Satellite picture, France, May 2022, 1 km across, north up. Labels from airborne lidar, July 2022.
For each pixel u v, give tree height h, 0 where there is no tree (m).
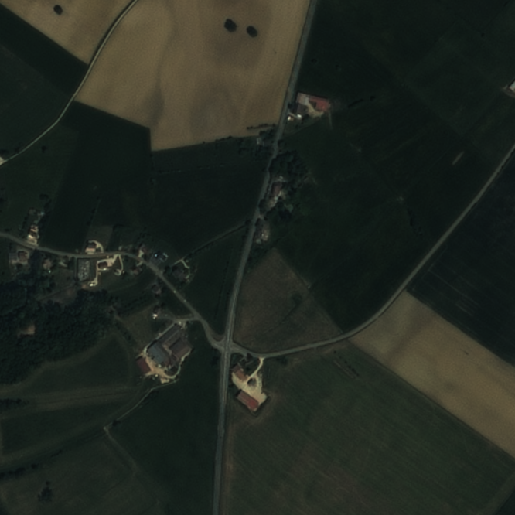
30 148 0
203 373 0
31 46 0
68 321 20
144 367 0
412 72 0
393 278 0
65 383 0
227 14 0
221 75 0
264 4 0
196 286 0
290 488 0
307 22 0
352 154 0
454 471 0
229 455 0
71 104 0
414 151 0
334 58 0
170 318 0
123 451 0
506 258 0
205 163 0
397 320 0
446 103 0
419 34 0
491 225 0
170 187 0
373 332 0
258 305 0
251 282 0
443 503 0
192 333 0
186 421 0
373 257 0
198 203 0
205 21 0
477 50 0
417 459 0
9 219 0
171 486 0
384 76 0
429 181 0
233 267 0
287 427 0
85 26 0
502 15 0
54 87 0
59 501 0
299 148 0
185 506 0
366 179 0
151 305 0
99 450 0
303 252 0
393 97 0
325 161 0
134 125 0
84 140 0
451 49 0
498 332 0
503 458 0
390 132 0
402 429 0
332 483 0
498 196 0
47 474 0
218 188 0
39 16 0
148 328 0
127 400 0
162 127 0
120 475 0
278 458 0
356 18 0
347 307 0
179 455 0
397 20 0
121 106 0
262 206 14
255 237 6
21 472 16
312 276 0
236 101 0
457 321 0
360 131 0
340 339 0
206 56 0
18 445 0
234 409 0
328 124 0
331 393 0
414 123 0
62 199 0
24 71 0
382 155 0
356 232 0
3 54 0
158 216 0
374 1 0
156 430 0
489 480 0
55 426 0
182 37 0
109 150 0
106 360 0
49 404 0
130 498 0
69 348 20
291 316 0
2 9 0
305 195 0
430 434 0
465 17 0
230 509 0
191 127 0
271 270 0
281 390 0
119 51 0
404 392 0
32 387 0
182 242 0
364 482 0
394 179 0
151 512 0
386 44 0
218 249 0
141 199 0
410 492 0
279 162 11
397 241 0
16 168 0
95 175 0
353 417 0
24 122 0
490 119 0
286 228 0
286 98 0
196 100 0
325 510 0
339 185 0
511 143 0
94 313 23
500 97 0
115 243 0
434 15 0
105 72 0
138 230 0
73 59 0
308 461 0
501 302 0
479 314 0
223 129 0
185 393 0
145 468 0
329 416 0
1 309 31
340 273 0
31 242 0
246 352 0
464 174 0
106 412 0
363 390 0
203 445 0
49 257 10
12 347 19
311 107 0
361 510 0
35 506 0
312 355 0
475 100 0
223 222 0
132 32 0
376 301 0
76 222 0
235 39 0
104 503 0
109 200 0
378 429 0
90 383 0
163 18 0
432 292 0
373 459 0
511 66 0
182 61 0
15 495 0
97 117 0
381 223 0
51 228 0
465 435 0
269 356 0
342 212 0
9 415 0
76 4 0
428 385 0
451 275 0
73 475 0
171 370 0
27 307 25
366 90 0
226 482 0
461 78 0
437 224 0
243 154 6
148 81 0
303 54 0
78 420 0
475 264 0
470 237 0
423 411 0
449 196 0
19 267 14
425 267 0
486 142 0
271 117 0
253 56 0
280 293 0
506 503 0
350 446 0
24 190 0
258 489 0
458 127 0
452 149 0
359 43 0
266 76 0
